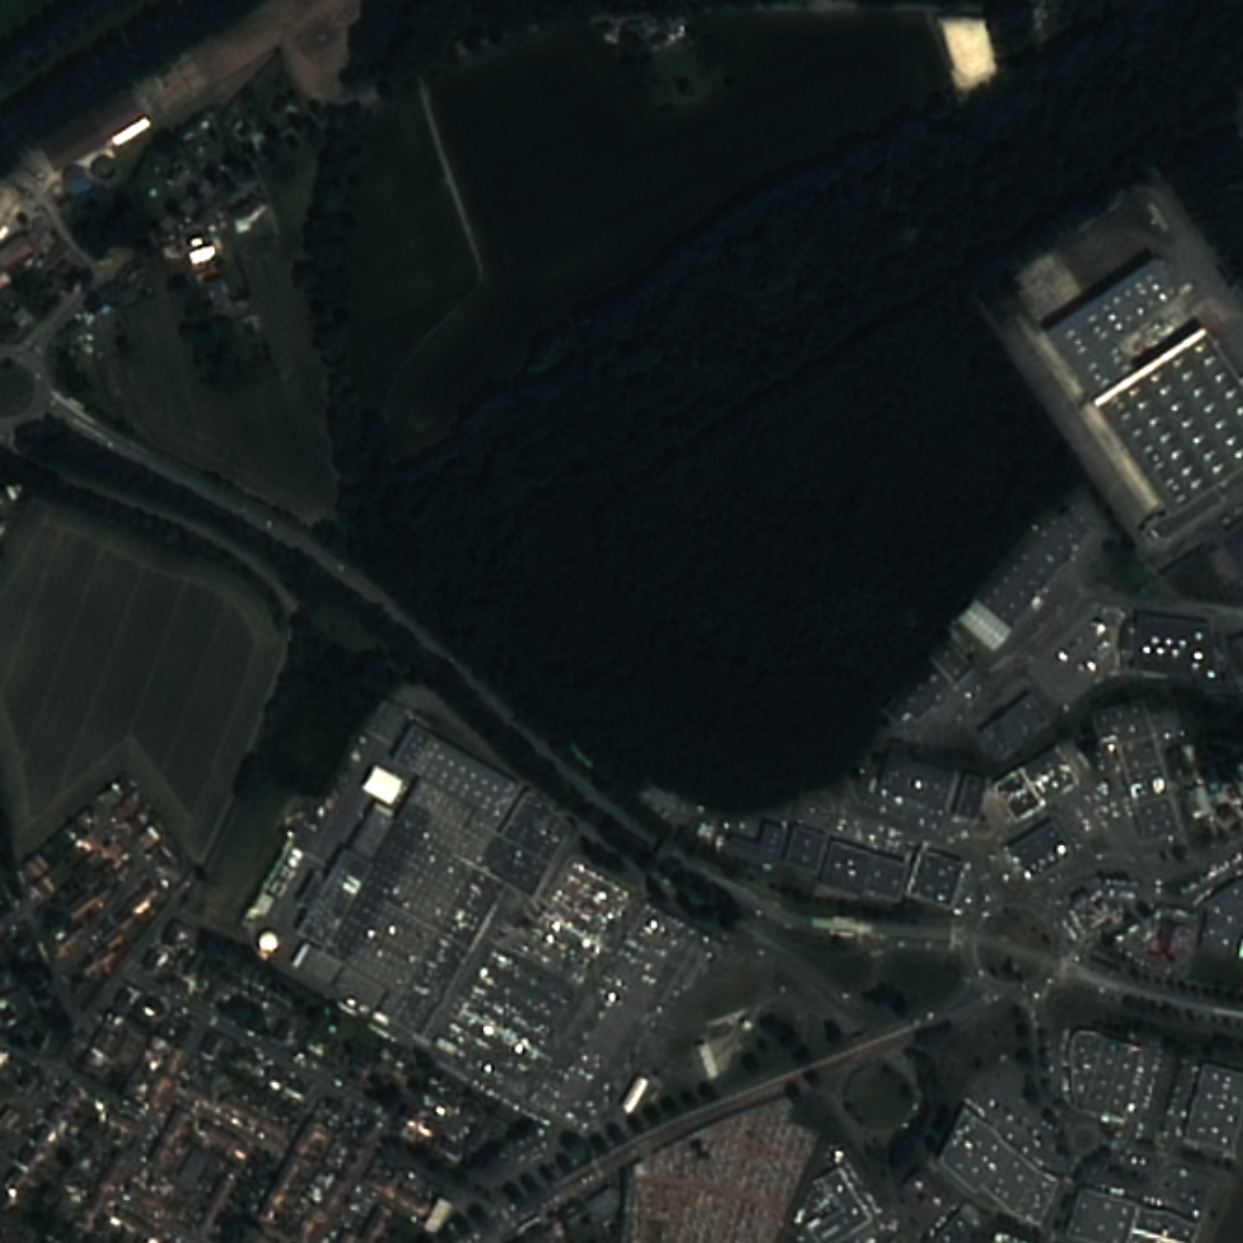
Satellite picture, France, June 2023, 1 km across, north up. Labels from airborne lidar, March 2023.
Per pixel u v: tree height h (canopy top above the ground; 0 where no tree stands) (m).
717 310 21
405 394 0
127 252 0
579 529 29
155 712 0
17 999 0
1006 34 14
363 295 0
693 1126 0
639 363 21
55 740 0
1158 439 0
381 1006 0
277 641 0
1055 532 0
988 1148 0
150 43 36
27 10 0
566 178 0
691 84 11
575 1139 14
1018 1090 0
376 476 17
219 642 0
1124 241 0
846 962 0
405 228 0
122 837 0
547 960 0
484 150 0
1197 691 7
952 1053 0
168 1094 0
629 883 0
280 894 0
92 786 0
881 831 0
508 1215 0
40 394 0
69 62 0
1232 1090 0
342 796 0
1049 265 0
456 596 21
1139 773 0
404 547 23
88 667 0
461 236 0
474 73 0
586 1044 0
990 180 14
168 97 0
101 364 0
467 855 0
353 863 0
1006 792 0
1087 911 0
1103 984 0
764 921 0
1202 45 21
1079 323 0
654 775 15
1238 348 0
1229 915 0
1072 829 0
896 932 0
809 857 0
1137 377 0
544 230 0
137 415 0
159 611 0
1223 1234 0
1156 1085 0
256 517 0
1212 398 0
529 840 0
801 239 30
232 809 0
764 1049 8
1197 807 0
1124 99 31
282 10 0
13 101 0
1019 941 0
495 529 19
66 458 16
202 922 0
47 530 0
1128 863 0
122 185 0
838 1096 0
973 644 0
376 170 0
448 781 0
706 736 28
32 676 0
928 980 0
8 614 0
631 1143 0
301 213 0
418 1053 10
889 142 18
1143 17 26
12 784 0
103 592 0
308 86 0
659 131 0
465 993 0
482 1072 0
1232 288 0
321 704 5
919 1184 0
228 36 0
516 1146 0
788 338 17
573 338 17
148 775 0
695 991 0
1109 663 0
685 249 21
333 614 0
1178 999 0
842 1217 0
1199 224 12
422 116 0
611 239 0
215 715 0
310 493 0
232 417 0
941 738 0
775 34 0
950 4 21
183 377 0
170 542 7
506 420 22
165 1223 0
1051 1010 0
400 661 14
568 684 15
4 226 0
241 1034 0
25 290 10
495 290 0
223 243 0
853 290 14
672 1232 0
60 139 0
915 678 0
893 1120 0
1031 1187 0
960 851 0
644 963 0
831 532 32
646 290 19
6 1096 0
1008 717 0
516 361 0
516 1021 0
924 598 22
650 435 28
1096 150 22
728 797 14
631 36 16
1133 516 0
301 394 0
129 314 0
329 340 16
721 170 0
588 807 18
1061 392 0
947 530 17
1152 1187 0
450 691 17
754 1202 0
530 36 0
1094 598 0
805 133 0
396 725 0
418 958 0
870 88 0
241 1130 0
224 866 0
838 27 0
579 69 0
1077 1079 0
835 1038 12
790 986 0
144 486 13
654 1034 0
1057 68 21
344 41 0
